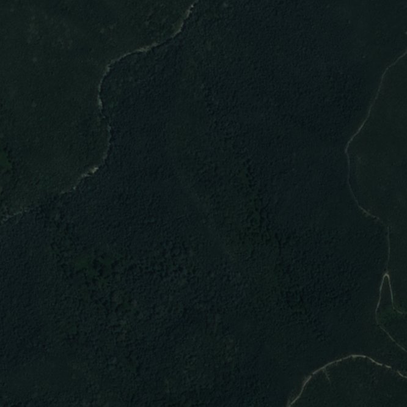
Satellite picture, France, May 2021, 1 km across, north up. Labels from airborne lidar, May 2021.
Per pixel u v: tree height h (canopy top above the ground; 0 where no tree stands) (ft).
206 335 34
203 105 50
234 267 32
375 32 24
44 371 23
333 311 24
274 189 32
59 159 23
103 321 28
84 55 38
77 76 28
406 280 20
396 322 27
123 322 48
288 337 19
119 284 31
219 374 46
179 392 39
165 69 55
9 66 23
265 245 35
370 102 21
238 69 31
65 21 18
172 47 39
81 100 31
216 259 31
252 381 32
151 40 37
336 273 33
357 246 26
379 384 18
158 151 30
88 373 33
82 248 22
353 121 24
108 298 30
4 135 38
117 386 26
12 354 30
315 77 39
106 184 35
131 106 41
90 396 19
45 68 28
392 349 22
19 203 39
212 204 42
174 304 36
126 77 52
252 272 29
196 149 45
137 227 39
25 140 42
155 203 48
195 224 37
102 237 34
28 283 41
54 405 38
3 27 27
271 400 23
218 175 54
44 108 34
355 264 21
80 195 32
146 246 35
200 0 43
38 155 26
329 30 22
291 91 40
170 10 39
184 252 36
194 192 30
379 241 23
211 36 37
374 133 19
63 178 30
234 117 25
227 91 31
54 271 52
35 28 31
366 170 21
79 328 35
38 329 37
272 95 26
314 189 21
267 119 27
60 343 45
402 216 22
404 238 22
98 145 31
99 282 50
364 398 22
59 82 36
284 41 33
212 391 48
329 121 29
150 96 42
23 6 40
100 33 38
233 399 22
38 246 32
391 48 20
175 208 38
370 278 20
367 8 20
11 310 44
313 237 34
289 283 28
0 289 33
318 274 27
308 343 27
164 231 41
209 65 50
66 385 31
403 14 17
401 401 26
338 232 36
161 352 44
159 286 37
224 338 40
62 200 63
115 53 20
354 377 20
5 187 45
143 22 52
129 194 35
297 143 25
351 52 18
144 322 37
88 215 34
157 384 51
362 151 20
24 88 27
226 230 24
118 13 19
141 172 44
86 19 41
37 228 28
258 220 79
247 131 36
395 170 21
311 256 22
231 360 44
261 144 30
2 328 34
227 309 21
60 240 45
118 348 49
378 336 19
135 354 36
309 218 25
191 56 43
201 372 36
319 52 40
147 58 50
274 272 22
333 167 23
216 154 42
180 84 28
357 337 20
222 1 37
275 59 34
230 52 46
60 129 35
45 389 39
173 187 31
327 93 20
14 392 36
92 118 48
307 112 30
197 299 47
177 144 34
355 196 19
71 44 32
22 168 44
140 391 43
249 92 24
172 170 31
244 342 21
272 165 43
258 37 36
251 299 30
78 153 36
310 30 25
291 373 23
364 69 22
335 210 22
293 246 25
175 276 68
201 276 35
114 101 36
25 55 32
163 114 37
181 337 42
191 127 32
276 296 19
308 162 25
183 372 51
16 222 44
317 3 27
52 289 41
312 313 39
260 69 32
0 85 27
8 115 34
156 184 25
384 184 22
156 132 34
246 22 32
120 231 31
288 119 31
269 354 21
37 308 34
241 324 20
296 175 21
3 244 38
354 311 23
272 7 44
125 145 31
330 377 26
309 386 19
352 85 31
